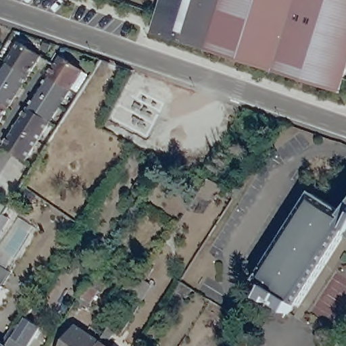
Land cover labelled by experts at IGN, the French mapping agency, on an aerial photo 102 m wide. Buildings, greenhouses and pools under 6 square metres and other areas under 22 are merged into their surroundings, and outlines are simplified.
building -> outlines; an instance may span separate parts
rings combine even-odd
[[[77,326],[70,326],[58,339],[57,346],[104,346],[96,342],[88,332]]]
[[[0,281],[7,276],[9,268],[0,264]]]
[[[70,95],[80,88],[86,74],[61,58],[54,62],[53,69],[47,69],[46,78],[41,81],[41,88],[28,101],[27,107],[34,109],[34,115],[9,150],[23,166],[27,164],[27,158],[38,149],[39,141],[45,139],[47,132],[50,131],[51,120],[57,118],[61,104],[65,104]]]
[[[26,315],[23,316],[18,326],[12,328],[14,331],[11,337],[1,346],[41,346],[45,342],[45,335],[38,327],[28,322]]]
[[[0,111],[8,111],[11,114],[9,118],[15,115],[20,97],[34,86],[36,77],[41,74],[46,61],[26,47],[11,41],[5,53],[11,55],[11,59],[4,58],[0,62]]]
[[[30,188],[19,187],[14,192],[19,193],[23,203],[31,203],[36,191]]]
[[[247,277],[249,281],[253,278],[259,280],[249,292],[249,299],[265,305],[282,315],[287,315],[292,308],[299,307],[332,253],[337,250],[342,235],[346,237],[346,196],[339,201],[337,207],[331,207],[312,193],[301,192],[288,218],[278,228],[277,243],[268,241],[268,249],[259,259],[261,268],[257,266]]]
[[[3,212],[7,207],[0,205],[0,220],[8,218],[8,214]]]
[[[339,92],[342,81],[346,80],[346,0],[157,0],[151,9],[154,16],[149,26],[149,31],[200,47],[203,51],[227,55],[239,64],[254,66],[270,73],[284,74],[334,93]]]

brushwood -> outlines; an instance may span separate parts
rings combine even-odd
[[[200,47],[149,31],[147,38],[153,41],[177,47],[212,62],[219,62],[239,72],[249,73],[255,81],[268,78],[287,88],[311,93],[319,100],[346,103],[346,80],[342,81],[339,92],[334,93],[284,74],[270,73],[254,66],[239,64],[227,55],[203,51]]]
[[[278,127],[289,127],[287,118],[268,114],[250,105],[238,105],[237,109],[250,111],[249,116],[243,119],[246,130]]]
[[[141,327],[143,331],[145,328],[165,323],[165,316],[159,316],[159,319],[155,320],[154,314],[166,311],[169,300],[176,296],[174,289],[180,278],[170,278],[165,291],[159,296]]]

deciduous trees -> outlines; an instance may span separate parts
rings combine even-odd
[[[19,187],[30,188],[32,174],[45,172],[49,159],[46,146],[28,170],[27,176],[20,181]]]
[[[104,93],[104,99],[96,111],[96,127],[103,130],[105,120],[111,115],[112,108],[131,74],[131,70],[122,70],[109,78],[114,85],[109,92]]]
[[[101,180],[95,191],[86,193],[88,187],[78,177],[72,177],[70,180],[64,177],[58,185],[54,185],[54,192],[62,200],[65,200],[68,191],[74,196],[77,191],[84,192],[84,203],[76,212],[80,216],[69,228],[55,230],[53,249],[57,250],[55,254],[50,253],[47,257],[50,264],[38,266],[38,273],[35,276],[32,274],[24,282],[24,288],[19,287],[14,297],[15,312],[23,316],[26,315],[28,322],[38,327],[45,335],[45,342],[41,346],[53,346],[58,328],[69,319],[69,311],[77,310],[81,293],[99,280],[103,280],[107,287],[105,291],[108,292],[111,303],[104,305],[103,312],[92,319],[88,328],[100,337],[104,330],[111,330],[114,334],[120,335],[124,324],[134,320],[135,308],[145,304],[145,300],[138,299],[134,289],[141,282],[145,282],[147,272],[153,268],[149,261],[151,251],[159,255],[164,251],[164,245],[173,230],[174,220],[182,218],[181,212],[170,215],[165,209],[151,203],[149,195],[155,188],[154,182],[145,176],[145,172],[153,169],[154,162],[158,159],[155,154],[159,150],[143,149],[135,145],[132,139],[119,134],[119,162],[105,174],[104,180]],[[74,246],[80,243],[84,232],[99,232],[96,228],[100,227],[100,219],[103,219],[101,214],[104,200],[112,199],[111,191],[118,182],[122,187],[126,185],[128,158],[137,161],[138,176],[131,181],[131,187],[126,189],[126,193],[119,195],[116,203],[119,216],[111,218],[107,234],[101,234],[100,250],[82,250],[78,253]],[[128,262],[126,255],[131,250],[128,242],[137,237],[138,222],[145,216],[149,216],[150,222],[159,223],[159,230],[143,246],[146,258],[141,259],[141,264]],[[47,304],[49,293],[57,284],[59,274],[69,273],[72,269],[80,269],[80,274],[73,278],[73,293],[70,295],[72,297],[69,303],[58,304],[57,312],[51,311],[50,305]]]
[[[139,15],[149,26],[154,16],[151,9],[157,0],[93,0],[96,3],[92,8],[95,12],[100,12],[100,8],[108,3],[119,15]]]
[[[265,341],[262,326],[270,322],[265,305],[249,299],[249,292],[239,289],[239,284],[231,282],[227,295],[234,299],[237,307],[230,308],[223,319],[222,326],[219,327],[222,335],[218,338],[214,335],[216,346],[261,346]]]
[[[314,346],[346,346],[346,314],[338,322],[332,323],[332,328],[320,328],[316,331],[312,337]]]
[[[170,278],[180,278],[187,272],[184,268],[184,258],[168,254],[166,266]]]
[[[19,193],[14,192],[9,192],[8,189],[0,193],[0,205],[7,207],[15,209],[16,214],[30,214],[31,203],[23,203]]]
[[[132,346],[157,346],[162,338],[166,337],[166,332],[170,328],[181,322],[180,307],[191,303],[195,297],[189,293],[187,297],[180,297],[181,303],[173,308],[173,312],[169,314],[166,311],[154,314],[155,320],[159,319],[159,316],[165,316],[165,323],[145,328],[143,331],[141,327],[132,335]]]
[[[276,147],[276,139],[281,132],[278,127],[246,130],[243,119],[249,116],[250,111],[237,109],[234,115],[228,116],[227,130],[222,132],[218,142],[208,146],[208,153],[204,157],[197,157],[195,164],[176,166],[166,172],[166,176],[173,181],[185,180],[189,187],[197,191],[209,180],[218,185],[219,195],[224,196],[232,189],[241,188],[251,174],[257,173],[258,176],[266,173],[266,165],[276,155]]]

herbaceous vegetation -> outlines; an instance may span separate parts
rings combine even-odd
[[[89,54],[91,51],[77,53],[72,50],[69,54],[57,50],[55,54],[61,58],[86,74],[93,72],[99,61]]]
[[[111,303],[108,292],[105,291],[107,287],[103,280],[99,280],[81,293],[77,310],[69,311],[69,319],[58,328],[53,346],[57,346],[58,339],[70,326],[77,326],[88,332],[96,342],[104,346],[132,346],[132,335],[141,327],[159,296],[165,291],[170,278],[166,266],[168,254],[184,258],[184,268],[187,272],[180,278],[174,289],[176,296],[169,300],[166,311],[169,314],[173,312],[173,308],[181,303],[180,297],[187,297],[189,293],[195,297],[191,303],[180,307],[181,322],[170,328],[166,332],[166,337],[162,338],[157,346],[181,346],[182,343],[191,342],[189,335],[192,334],[197,322],[209,328],[207,335],[197,346],[216,346],[214,335],[218,338],[222,335],[219,327],[222,326],[223,319],[219,318],[219,305],[205,299],[204,292],[200,289],[207,278],[215,278],[215,258],[209,251],[224,226],[227,226],[228,220],[232,218],[232,214],[239,212],[237,204],[247,195],[251,184],[258,176],[257,173],[251,174],[241,188],[232,189],[224,196],[219,195],[218,185],[209,180],[197,191],[193,199],[195,203],[184,204],[180,189],[164,193],[161,189],[155,188],[149,195],[151,203],[165,209],[170,215],[181,212],[182,218],[174,220],[173,230],[164,245],[164,251],[159,255],[151,251],[149,261],[153,268],[147,272],[145,282],[141,282],[134,289],[138,299],[145,300],[145,304],[135,308],[134,320],[124,324],[120,335],[114,334],[111,330],[104,330],[100,337],[88,328],[92,319],[103,312],[104,305]]]
[[[289,127],[278,127],[281,132],[276,139],[276,147],[284,145],[297,135],[315,146],[314,137],[310,132]]]
[[[35,276],[38,273],[38,266],[50,264],[47,257],[50,253],[55,254],[57,250],[53,249],[55,230],[69,228],[80,216],[76,212],[84,203],[84,192],[77,191],[74,196],[68,191],[65,200],[62,200],[54,192],[54,185],[58,185],[64,177],[70,180],[72,177],[78,177],[88,187],[86,193],[95,191],[101,180],[104,180],[105,174],[119,162],[119,134],[109,135],[103,130],[96,127],[96,111],[104,99],[104,93],[109,92],[114,85],[109,78],[122,70],[114,64],[101,61],[95,76],[88,82],[80,100],[77,101],[76,108],[64,123],[64,128],[58,132],[57,138],[53,142],[47,142],[46,146],[49,159],[45,172],[32,174],[30,188],[36,191],[31,203],[30,214],[16,214],[28,226],[39,228],[32,235],[32,241],[22,257],[15,261],[14,273],[20,276],[19,287],[24,288],[24,282],[32,274]]]
[[[128,262],[141,264],[141,259],[146,258],[143,246],[159,230],[159,223],[150,222],[149,216],[145,216],[138,222],[137,237],[128,242],[131,250],[126,255]]]
[[[58,304],[69,303],[72,297],[70,295],[73,293],[73,278],[80,274],[80,269],[72,269],[69,273],[59,274],[57,284],[49,293],[47,304],[50,305],[51,311],[57,312]]]
[[[303,176],[304,172],[314,173],[312,168],[318,166],[330,169],[330,166],[327,159],[303,159],[299,176]]]
[[[131,181],[138,176],[137,161],[128,158],[126,185],[122,187],[118,182],[111,191],[112,199],[104,200],[101,214],[103,219],[100,219],[100,227],[96,228],[99,232],[84,232],[80,243],[74,246],[78,253],[82,250],[100,250],[101,234],[107,234],[111,218],[119,216],[116,203],[119,195],[126,193],[126,189],[131,187]]]

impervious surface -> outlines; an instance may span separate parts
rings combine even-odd
[[[312,337],[316,331],[320,328],[332,328],[332,323],[338,322],[346,314],[346,237],[342,235],[337,250],[332,253],[299,307],[292,308],[287,315],[282,315],[265,305],[270,322],[262,326],[265,341],[261,346],[314,346]]]
[[[18,326],[23,316],[15,312],[14,297],[19,287],[20,276],[14,273],[15,261],[22,257],[32,241],[32,235],[39,228],[28,226],[16,214],[15,209],[7,207],[3,212],[8,214],[8,218],[0,220],[0,264],[9,268],[7,276],[0,281],[0,346],[1,346],[11,337],[14,331],[12,328]]]
[[[4,58],[11,59],[11,55],[5,53],[11,41],[26,47],[46,61],[41,74],[36,77],[34,86],[20,97],[15,115],[9,118],[11,114],[8,111],[0,111],[0,193],[8,189],[9,192],[14,192],[19,187],[20,181],[27,176],[28,170],[46,146],[47,142],[53,142],[57,138],[58,132],[64,128],[64,123],[76,108],[77,101],[80,100],[88,82],[95,76],[101,61],[114,64],[122,70],[131,70],[131,74],[142,74],[191,93],[195,93],[197,84],[203,84],[208,88],[230,93],[231,103],[238,105],[250,105],[268,114],[287,118],[289,127],[310,132],[314,137],[315,146],[297,135],[284,145],[276,147],[276,155],[266,165],[266,173],[258,176],[251,184],[247,195],[237,204],[239,212],[232,214],[232,218],[228,220],[227,226],[224,226],[209,251],[215,258],[215,278],[207,278],[200,289],[204,292],[205,299],[219,305],[219,318],[223,319],[230,308],[237,307],[234,299],[227,295],[231,282],[239,284],[239,289],[249,292],[259,280],[253,278],[249,281],[247,277],[257,266],[261,268],[259,259],[268,249],[268,241],[277,243],[278,228],[288,218],[301,192],[312,193],[331,207],[337,207],[339,201],[346,196],[346,103],[319,100],[311,93],[287,88],[268,78],[255,81],[249,73],[239,72],[219,62],[212,62],[177,47],[153,41],[147,38],[149,31],[149,26],[139,15],[119,15],[108,3],[100,8],[100,12],[95,12],[92,8],[96,3],[93,0],[0,0],[0,62]],[[86,74],[80,88],[70,95],[65,104],[61,104],[57,118],[51,120],[50,131],[47,132],[45,139],[39,141],[38,149],[27,158],[27,164],[23,166],[9,150],[34,115],[34,109],[27,107],[28,101],[41,88],[41,81],[46,78],[47,69],[53,69],[54,62],[61,58],[55,54],[57,50],[69,54],[72,50],[77,53],[91,51],[89,54],[99,61],[93,72]],[[301,184],[297,181],[299,176],[303,159],[327,159],[330,166],[342,166],[342,172],[328,181],[330,188],[327,191],[320,191],[311,184]]]

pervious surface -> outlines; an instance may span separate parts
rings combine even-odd
[[[197,322],[192,334],[189,335],[191,342],[182,343],[181,346],[197,346],[207,335],[209,328]]]
[[[166,172],[176,166],[195,164],[197,157],[204,157],[208,153],[208,146],[218,142],[222,132],[227,130],[228,116],[234,115],[237,109],[238,105],[231,103],[230,93],[208,88],[203,84],[197,84],[195,93],[191,93],[142,74],[131,74],[112,108],[111,115],[105,120],[103,130],[109,135],[119,134],[132,139],[135,145],[143,149],[159,150],[155,154],[158,159]]]

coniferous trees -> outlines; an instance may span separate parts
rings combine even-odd
[[[328,181],[342,172],[342,166],[330,166],[330,169],[318,166],[312,168],[314,173],[304,172],[303,176],[299,176],[297,181],[301,184],[311,184],[320,191],[327,191],[330,188]]]
[[[184,204],[195,203],[193,199],[197,191],[189,187],[185,180],[173,181],[166,176],[166,172],[158,159],[154,162],[153,169],[145,172],[145,176],[154,182],[155,188],[161,189],[164,193],[180,189]]]

